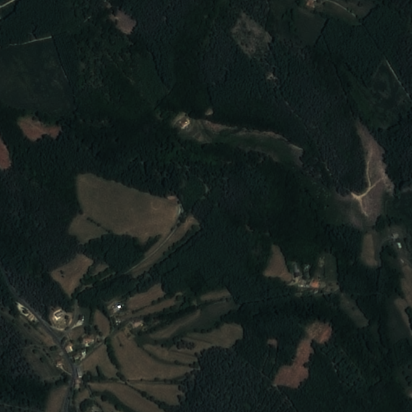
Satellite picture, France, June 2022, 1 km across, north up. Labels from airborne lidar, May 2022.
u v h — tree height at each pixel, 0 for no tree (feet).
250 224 61
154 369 0
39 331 0
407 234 0
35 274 26
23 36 92
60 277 0
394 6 32
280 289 55
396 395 69
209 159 45
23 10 88
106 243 64
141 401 0
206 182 33
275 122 48
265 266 35
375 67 50
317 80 57
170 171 70
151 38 88
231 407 47
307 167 24
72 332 0
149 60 18
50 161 47
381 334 60
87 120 89
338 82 55
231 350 43
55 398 0
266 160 54
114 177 87
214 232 88
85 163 89
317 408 38
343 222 0
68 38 58
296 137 69
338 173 63
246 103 42
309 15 0
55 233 65
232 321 66
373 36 61
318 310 81
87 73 40
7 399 57
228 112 53
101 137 109
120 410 40
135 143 87
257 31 0
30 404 54
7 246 70
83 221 0
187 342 55
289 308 96
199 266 102
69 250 62
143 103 49
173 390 0
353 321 69
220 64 47
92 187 0
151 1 65
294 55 47
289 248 66
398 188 75
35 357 0
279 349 54
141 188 84
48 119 108
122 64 42
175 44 62
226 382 52
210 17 46
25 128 0
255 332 74
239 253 75
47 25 95
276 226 61
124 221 0
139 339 0
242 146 0
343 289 41
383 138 111
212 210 60
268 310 90
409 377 51
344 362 80
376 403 80
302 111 55
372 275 69
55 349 40
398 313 0
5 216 46
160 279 95
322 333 0
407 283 0
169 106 68
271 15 44
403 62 59
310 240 75
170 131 69
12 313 57
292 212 57
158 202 0
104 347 0
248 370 46
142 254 57
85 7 37
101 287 72
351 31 47
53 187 46
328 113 59
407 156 61
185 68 51
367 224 0
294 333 111
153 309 0
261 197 54
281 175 60
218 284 60
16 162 59
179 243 33
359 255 63
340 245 71
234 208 64
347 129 54
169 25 64
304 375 0
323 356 63
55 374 0
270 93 91
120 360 0
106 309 48
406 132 51
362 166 51
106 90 37
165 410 35
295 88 46
